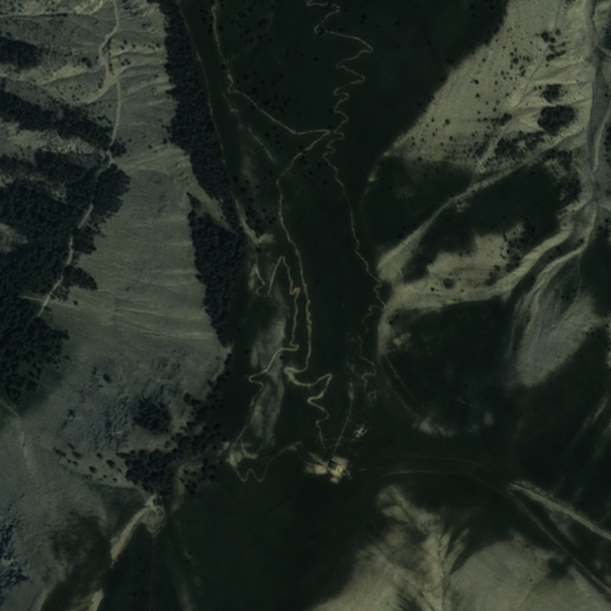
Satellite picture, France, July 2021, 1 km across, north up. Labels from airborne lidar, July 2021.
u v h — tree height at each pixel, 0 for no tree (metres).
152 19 0
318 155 0
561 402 0
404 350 0
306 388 0
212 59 0
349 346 0
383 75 0
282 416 0
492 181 0
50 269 32
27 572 0
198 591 0
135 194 0
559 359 0
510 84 0
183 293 0
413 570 0
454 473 0
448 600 0
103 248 0
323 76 0
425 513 0
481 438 0
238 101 0
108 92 0
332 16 0
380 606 0
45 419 0
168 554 0
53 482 0
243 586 0
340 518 0
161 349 0
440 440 0
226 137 0
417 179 0
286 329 0
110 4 0
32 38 0
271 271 0
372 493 0
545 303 0
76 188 19
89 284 11
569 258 0
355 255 0
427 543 0
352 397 0
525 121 0
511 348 0
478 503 0
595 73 0
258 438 0
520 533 0
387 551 0
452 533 0
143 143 0
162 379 0
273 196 0
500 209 0
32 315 28
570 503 0
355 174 0
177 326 0
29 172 6
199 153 11
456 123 0
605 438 0
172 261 0
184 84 15
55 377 0
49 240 23
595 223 0
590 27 0
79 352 0
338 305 0
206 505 0
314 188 0
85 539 0
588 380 0
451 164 0
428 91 0
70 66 0
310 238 0
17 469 0
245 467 0
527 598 0
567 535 0
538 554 0
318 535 0
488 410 0
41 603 0
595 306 0
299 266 0
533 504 0
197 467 0
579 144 0
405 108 0
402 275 0
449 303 0
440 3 0
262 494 0
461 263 0
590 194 0
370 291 0
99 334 0
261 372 0
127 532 0
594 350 0
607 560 0
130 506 0
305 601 0
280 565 0
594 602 0
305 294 0
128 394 0
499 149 7
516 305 0
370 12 0
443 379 0
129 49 0
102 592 0
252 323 0
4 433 0
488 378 0
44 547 0
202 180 10
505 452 0
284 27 0
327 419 0
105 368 0
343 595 0
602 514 0
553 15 0
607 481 0
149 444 0
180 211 0
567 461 0
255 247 0
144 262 0
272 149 0
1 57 8
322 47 0
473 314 0
